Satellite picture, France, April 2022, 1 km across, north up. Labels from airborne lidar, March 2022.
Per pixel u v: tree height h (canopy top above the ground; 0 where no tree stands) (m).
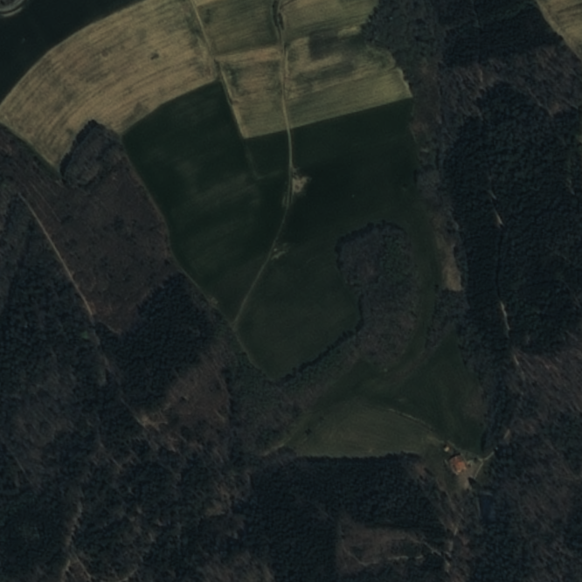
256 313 0
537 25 24
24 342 28
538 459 28
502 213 24
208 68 0
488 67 25
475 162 23
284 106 0
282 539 28
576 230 31
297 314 0
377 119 0
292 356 0
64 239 11
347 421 0
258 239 0
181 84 0
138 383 28
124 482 13
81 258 9
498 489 20
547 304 21
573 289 17
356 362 24
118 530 28
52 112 0
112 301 7
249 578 29
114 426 22
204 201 0
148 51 0
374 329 27
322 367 21
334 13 0
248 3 0
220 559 28
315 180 0
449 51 20
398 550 8
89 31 0
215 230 0
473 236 15
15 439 29
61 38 0
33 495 17
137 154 0
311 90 0
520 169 14
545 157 20
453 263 0
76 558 25
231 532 16
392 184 0
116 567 16
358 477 19
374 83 0
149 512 26
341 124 0
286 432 25
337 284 0
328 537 19
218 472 28
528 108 16
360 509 13
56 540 21
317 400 23
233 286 0
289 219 0
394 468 23
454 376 0
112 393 26
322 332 0
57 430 28
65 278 29
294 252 0
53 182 8
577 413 24
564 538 18
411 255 21
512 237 27
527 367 24
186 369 29
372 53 0
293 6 0
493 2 19
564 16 0
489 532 31
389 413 0
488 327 16
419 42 11
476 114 29
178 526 28
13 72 0
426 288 0
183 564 21
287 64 0
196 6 0
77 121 0
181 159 0
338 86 0
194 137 0
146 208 11
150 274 9
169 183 0
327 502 19
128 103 0
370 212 0
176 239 0
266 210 0
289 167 0
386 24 26
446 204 14
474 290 20
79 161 24
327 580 15
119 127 0
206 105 0
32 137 0
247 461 28
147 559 15
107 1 0
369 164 0
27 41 0
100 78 0
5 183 21
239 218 0
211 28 0
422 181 23
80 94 0
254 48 0
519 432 31
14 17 0
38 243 23
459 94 27
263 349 0
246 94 0
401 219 0
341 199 0
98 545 28
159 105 0
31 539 17
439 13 17
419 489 26
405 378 0
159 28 0
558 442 23
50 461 8
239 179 0
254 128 0
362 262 29
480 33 19
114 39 0
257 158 0
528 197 23
